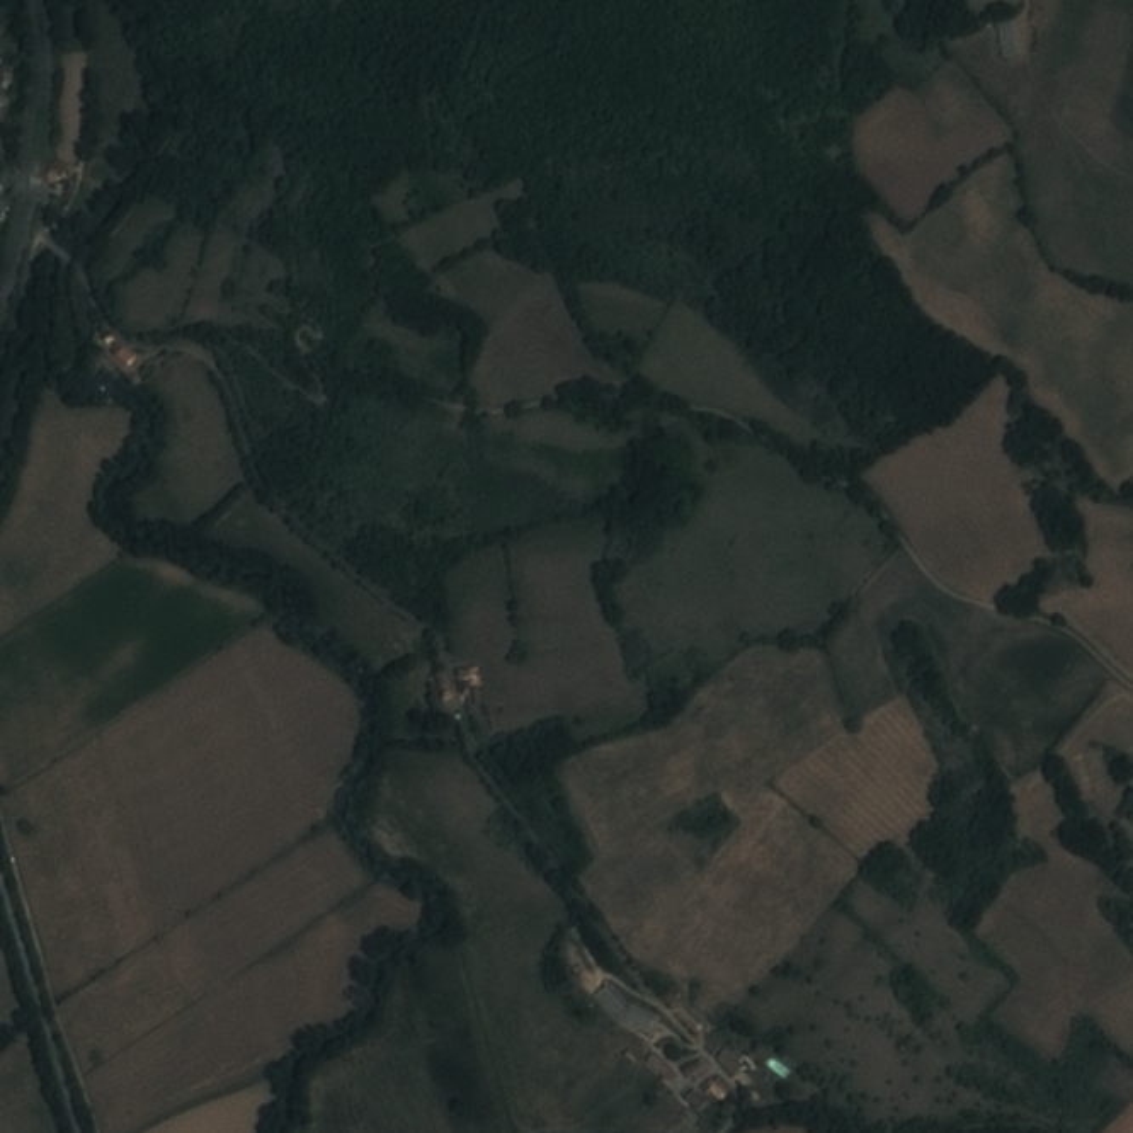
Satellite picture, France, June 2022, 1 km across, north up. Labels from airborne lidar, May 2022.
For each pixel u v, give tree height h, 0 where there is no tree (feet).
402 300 45
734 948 0
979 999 0
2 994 0
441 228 0
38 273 52
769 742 0
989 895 39
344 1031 70
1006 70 0
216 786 0
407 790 0
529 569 0
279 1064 32
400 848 0
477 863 0
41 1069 48
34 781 0
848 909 18
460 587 0
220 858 0
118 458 46
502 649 0
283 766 0
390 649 0
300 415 31
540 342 0
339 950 0
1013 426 26
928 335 34
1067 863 0
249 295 0
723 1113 28
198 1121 0
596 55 37
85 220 55
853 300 46
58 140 23
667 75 28
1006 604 47
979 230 0
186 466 0
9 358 49
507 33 36
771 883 0
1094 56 0
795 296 48
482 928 0
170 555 94
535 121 36
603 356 28
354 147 54
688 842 0
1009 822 43
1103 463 0
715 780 0
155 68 73
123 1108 0
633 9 35
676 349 0
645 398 60
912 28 67
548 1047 0
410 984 0
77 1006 0
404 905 0
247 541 0
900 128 0
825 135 46
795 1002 0
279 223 20
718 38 25
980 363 44
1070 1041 18
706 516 0
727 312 44
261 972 0
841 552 0
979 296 0
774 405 0
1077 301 0
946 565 0
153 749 0
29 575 0
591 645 0
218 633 0
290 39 36
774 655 0
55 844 0
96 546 0
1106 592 0
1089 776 0
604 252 23
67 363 31
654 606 0
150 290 0
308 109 34
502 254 49
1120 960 0
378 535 46
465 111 20
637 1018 0
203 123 55
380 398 24
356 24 33
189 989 0
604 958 39
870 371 52
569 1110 0
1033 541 0
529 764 75
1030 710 0
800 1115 64
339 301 20
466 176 40
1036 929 0
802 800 0
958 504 0
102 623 0
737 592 0
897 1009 0
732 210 38
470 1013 0
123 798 0
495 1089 0
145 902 0
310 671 0
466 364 51
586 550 0
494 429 0
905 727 0
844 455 38
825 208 56
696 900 0
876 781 0
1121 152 0
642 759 0
